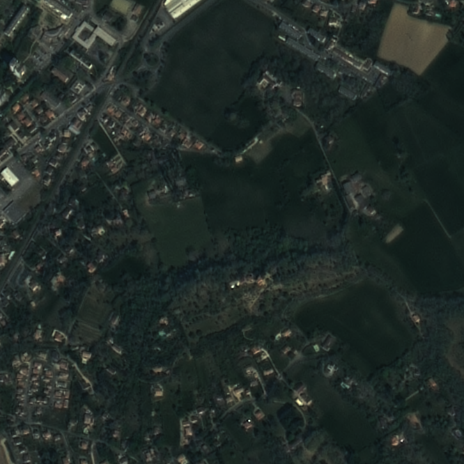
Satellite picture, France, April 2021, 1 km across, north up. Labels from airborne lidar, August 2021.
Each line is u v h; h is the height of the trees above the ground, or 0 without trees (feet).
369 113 0
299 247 22
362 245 0
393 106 20
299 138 0
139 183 21
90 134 31
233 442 30
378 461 19
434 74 0
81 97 29
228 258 51
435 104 0
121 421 32
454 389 50
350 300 0
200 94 0
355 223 0
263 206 0
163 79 0
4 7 0
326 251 50
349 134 0
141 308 24
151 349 28
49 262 44
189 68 0
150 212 0
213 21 0
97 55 32
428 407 51
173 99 0
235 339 30
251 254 21
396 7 0
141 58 0
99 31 0
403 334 0
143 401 26
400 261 0
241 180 0
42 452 21
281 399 81
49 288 28
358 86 34
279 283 34
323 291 48
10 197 0
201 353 25
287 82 44
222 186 0
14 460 0
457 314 41
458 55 0
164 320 0
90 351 32
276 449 35
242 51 0
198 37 0
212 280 28
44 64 0
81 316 0
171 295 39
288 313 43
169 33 0
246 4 0
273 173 0
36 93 21
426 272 0
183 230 0
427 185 0
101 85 0
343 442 0
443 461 0
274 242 24
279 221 0
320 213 0
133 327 27
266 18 0
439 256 0
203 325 0
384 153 0
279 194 0
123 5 0
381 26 36
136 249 23
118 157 0
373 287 0
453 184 0
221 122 0
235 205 0
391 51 0
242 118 39
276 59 42
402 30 0
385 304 0
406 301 42
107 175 0
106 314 0
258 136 0
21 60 0
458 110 0
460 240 0
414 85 68
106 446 33
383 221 30
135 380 56
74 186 18
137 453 52
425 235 0
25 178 0
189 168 27
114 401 35
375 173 0
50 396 0
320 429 41
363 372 0
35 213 45
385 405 47
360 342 0
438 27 0
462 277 0
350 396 21
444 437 34
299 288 29
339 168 0
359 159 0
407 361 28
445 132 0
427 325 39
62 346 37
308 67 58
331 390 0
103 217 26
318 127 29
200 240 0
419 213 0
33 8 35
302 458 29
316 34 0
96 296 0
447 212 0
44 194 44
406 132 0
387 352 0
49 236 26
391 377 31
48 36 0
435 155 0
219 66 0
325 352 0
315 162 0
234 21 0
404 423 54
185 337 46
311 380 0
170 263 0
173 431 0
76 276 17
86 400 44
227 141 0
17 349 38
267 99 25
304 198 30
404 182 38
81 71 41
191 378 42
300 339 43
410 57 0
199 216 0
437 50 0
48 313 0
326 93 54
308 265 34
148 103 44
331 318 0
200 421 28
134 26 0
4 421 28
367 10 20
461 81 0
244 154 0
